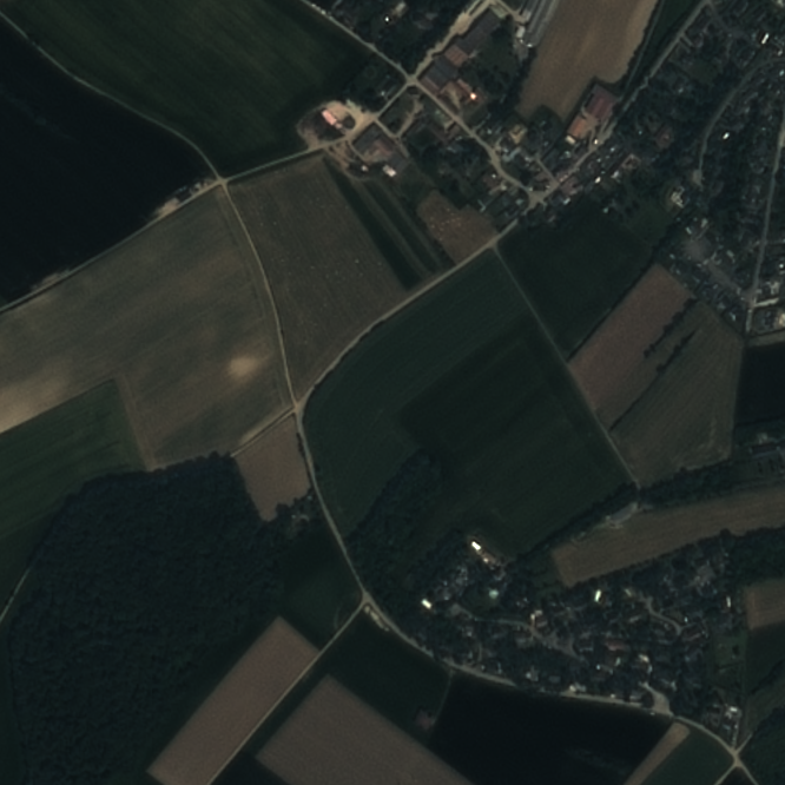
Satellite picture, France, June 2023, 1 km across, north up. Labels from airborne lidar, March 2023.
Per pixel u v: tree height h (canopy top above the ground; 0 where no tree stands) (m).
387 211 0
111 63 0
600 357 0
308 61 0
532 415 0
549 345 0
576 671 16
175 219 0
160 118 0
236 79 0
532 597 6
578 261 0
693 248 0
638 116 8
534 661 14
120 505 24
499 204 0
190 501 27
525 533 0
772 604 0
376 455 0
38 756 12
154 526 23
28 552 0
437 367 0
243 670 0
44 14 0
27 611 17
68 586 22
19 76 0
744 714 0
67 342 0
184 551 25
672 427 0
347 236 0
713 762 0
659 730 0
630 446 0
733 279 0
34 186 0
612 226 0
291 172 0
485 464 0
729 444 0
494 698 0
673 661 12
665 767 0
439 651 12
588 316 0
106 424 0
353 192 0
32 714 18
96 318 0
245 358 0
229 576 24
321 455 0
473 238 0
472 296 0
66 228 0
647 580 16
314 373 0
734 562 11
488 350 0
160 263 0
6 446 0
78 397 0
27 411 0
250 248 0
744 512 0
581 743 0
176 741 0
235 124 0
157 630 26
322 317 0
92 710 18
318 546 0
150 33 0
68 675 19
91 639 19
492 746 0
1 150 0
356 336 0
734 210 7
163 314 0
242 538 21
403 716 0
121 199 0
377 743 0
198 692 0
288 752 0
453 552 14
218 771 0
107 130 0
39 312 0
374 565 7
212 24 0
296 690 0
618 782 0
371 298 0
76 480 0
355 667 0
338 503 0
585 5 0
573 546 0
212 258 0
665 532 0
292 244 0
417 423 0
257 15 0
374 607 0
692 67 0
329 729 0
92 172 0
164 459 0
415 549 0
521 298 0
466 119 0
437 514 0
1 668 0
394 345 0
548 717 0
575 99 0
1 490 0
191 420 0
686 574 15
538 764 0
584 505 0
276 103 0
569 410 0
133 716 23
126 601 23
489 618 10
